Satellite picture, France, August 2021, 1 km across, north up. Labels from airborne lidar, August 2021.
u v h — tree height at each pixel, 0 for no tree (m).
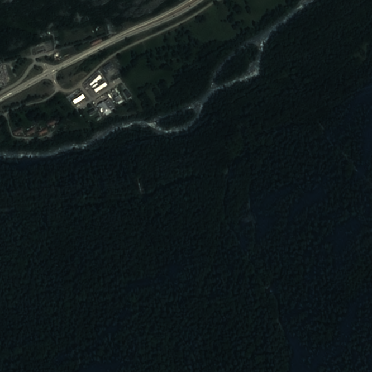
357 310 13
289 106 29
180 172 22
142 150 19
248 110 22
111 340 13
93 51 0
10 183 26
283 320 11
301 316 38
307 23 16
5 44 22
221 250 23
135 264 29
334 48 17
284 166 32
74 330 18
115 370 15
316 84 21
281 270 19
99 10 8
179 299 22
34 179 30
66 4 14
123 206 25
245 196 12
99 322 22
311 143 23
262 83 16
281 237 16
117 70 0
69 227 22
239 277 10
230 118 27
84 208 25
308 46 17
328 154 21
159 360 34
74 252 26
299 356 27
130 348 11
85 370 25
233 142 26
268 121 27
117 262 31
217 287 27
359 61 14
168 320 31
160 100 16
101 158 16
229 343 20
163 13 0
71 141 17
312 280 15
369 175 22
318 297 21
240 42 18
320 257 12
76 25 11
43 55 0
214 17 0
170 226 30
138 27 0
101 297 26
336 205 25
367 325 13
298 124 23
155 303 23
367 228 14
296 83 23
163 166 24
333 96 29
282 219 20
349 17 16
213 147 28
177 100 17
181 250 22
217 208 26
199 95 16
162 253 20
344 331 17
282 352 14
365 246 31
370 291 25
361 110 16
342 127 18
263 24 17
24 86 0
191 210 25
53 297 30
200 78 19
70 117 10
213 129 25
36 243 26
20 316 26
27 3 15
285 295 24
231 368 25
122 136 18
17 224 25
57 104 6
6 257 33
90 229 27
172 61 16
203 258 10
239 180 21
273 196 15
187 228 27
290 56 15
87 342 20
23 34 15
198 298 33
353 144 22
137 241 31
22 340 25
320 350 12
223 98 20
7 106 5
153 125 0
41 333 27
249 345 17
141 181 21
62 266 33
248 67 16
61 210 24
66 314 16
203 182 24
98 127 6
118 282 37
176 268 26
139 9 6
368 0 14
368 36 20
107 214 25
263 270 20
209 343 19
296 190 25
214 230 24
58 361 11
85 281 24
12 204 18
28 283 31
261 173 23
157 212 29
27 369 21
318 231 25
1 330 32
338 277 9
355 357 20
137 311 24
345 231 17
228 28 0
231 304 25
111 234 28
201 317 24
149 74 0
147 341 24
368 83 16
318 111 26
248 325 14
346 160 18
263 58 14
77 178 34
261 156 31
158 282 22
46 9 21
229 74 15
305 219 20
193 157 26
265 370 17
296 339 7
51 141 8
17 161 8
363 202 17
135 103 9
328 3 15
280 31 20
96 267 18
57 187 21
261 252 13
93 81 0
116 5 9
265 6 0
